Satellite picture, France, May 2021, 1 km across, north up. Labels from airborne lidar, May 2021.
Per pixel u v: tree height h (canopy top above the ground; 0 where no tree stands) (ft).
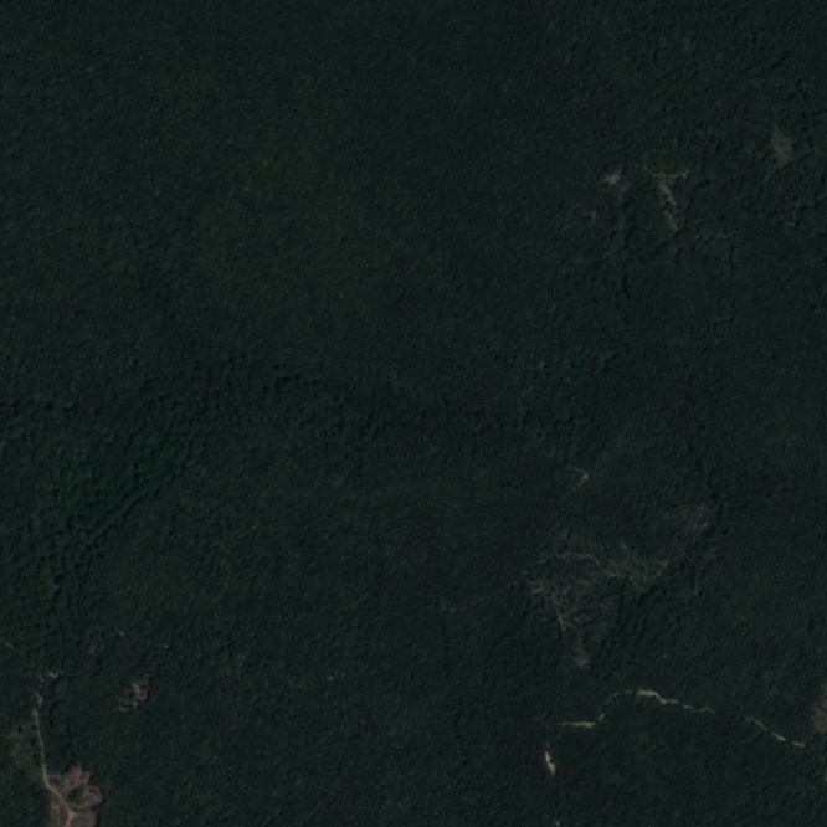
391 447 57
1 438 41
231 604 56
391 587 37
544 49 27
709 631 34
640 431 32
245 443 48
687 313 39
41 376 40
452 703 32
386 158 23
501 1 33
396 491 33
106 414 79
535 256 43
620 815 22
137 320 31
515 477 27
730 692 51
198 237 42
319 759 44
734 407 33
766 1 35
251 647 56
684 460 77
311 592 51
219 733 42
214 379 89
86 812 0
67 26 52
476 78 38
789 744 29
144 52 44
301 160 49
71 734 54
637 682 19
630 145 26
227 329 39
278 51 40
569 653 41
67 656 35
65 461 55
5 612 36
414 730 30
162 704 48
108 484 35
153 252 55
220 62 48
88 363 37
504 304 33
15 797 41
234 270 50
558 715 34
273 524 61
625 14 48
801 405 43
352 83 46
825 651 51
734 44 32
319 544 32
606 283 58
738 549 43
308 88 45
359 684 28
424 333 40
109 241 63
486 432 36
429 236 39
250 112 50
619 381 48
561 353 41
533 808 22
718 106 40
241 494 36
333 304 44
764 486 63
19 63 66
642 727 37
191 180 46
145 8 36
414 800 40
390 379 54
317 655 40
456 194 34
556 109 29
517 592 26
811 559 31
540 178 25
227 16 31
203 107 34
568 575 23
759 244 59
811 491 86
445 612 25
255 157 50
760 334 36
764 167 48
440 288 47
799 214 20
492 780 31
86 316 57
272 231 59
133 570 43
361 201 47
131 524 39
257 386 73
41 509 38
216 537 52
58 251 58
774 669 55
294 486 35
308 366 43
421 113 30
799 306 56
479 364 33
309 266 34
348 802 37
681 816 24
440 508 34
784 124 41
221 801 55
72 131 50
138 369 59
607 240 44
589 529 47
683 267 56
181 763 61
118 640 39
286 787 24
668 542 32
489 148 35
